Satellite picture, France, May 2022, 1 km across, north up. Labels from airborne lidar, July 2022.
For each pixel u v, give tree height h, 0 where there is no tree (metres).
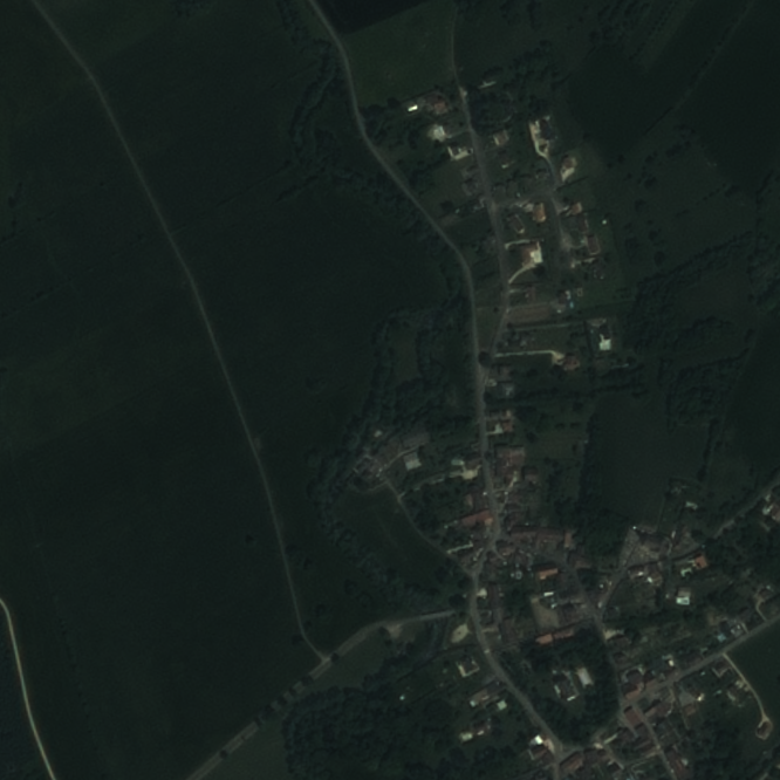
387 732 25
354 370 0
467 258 0
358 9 0
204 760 0
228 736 0
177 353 0
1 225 0
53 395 0
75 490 0
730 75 0
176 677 0
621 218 0
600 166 0
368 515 0
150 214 0
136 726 0
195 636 0
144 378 0
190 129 0
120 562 0
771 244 6
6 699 19
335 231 0
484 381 0
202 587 0
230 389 0
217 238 0
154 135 0
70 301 0
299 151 17
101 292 0
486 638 0
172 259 0
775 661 0
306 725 23
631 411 0
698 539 15
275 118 0
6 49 0
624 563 0
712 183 0
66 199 0
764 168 0
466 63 0
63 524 0
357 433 18
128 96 0
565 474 9
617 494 0
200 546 0
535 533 0
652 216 0
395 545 0
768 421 0
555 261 0
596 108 0
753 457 0
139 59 0
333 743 25
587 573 13
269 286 0
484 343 0
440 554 0
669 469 0
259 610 0
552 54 14
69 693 0
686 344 18
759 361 0
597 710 23
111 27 0
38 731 0
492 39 0
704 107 0
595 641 20
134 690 0
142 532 0
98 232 0
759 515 16
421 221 17
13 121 0
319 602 0
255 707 0
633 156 0
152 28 0
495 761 23
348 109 7
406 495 6
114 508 0
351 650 0
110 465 0
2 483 0
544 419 15
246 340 0
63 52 0
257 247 0
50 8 0
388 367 15
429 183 18
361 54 0
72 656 9
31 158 0
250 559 0
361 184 15
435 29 0
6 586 0
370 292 0
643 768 0
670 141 0
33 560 0
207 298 0
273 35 0
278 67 0
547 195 0
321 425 0
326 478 15
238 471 0
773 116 0
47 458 0
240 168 0
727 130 0
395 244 0
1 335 0
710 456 10
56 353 0
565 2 0
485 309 0
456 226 0
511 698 10
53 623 0
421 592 19
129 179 0
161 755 0
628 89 0
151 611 0
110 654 0
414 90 0
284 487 0
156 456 0
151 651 0
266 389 0
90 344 0
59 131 0
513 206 0
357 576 0
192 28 0
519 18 15
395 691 10
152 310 0
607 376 7
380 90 0
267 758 0
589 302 0
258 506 0
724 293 0
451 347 0
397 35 0
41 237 0
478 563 0
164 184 0
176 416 0
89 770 0
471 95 17
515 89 12
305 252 0
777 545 16
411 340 0
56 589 0
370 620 0
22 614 0
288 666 0
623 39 8
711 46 0
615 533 7
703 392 17
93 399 0
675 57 0
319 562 0
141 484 0
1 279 0
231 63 0
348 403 0
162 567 0
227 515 0
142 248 0
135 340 0
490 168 0
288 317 0
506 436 11
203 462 0
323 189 0
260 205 0
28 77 0
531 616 7
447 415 0
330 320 0
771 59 0
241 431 0
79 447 0
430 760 0
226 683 0
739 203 0
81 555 0
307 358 0
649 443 0
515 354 0
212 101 0
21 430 0
